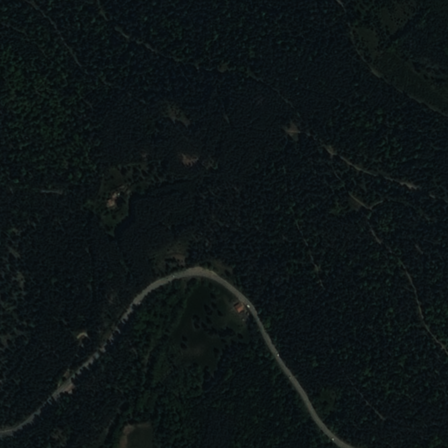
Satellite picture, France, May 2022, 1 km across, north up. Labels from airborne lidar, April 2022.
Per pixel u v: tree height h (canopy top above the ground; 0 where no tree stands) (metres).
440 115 11
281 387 17
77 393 22
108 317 31
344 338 29
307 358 22
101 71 19
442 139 18
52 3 7
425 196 21
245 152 27
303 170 13
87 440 21
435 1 9
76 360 20
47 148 23
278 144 19
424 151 24
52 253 22
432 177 20
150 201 27
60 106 23
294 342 30
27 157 27
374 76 15
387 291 24
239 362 18
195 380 19
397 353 25
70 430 7
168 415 31
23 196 25
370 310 21
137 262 29
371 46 0
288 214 20
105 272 28
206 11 22
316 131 18
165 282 0
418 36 20
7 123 20
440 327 21
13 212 22
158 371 8
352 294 22
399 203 9
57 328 21
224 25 22
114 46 36
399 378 18
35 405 26
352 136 14
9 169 19
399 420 23
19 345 26
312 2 37
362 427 23
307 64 23
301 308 24
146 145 28
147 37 27
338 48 20
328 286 28
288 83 22
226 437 23
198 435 10
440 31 20
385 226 22
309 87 24
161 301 8
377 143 15
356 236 21
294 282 24
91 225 28
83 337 0
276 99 22
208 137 28
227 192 32
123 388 15
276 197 22
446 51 22
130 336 29
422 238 19
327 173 12
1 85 27
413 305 29
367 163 9
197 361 0
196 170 27
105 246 30
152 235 25
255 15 19
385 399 23
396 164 11
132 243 28
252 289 29
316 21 39
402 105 14
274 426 15
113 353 29
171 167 28
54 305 27
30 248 17
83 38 21
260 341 24
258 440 12
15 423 6
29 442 12
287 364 20
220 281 0
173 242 25
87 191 21
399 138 15
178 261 8
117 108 27
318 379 24
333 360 22
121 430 15
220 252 27
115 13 42
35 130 25
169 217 17
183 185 16
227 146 29
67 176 25
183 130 27
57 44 22
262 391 17
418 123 16
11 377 18
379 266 23
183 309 18
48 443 21
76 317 23
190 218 12
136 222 28
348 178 24
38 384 28
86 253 28
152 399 9
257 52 27
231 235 9
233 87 27
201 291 0
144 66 13
